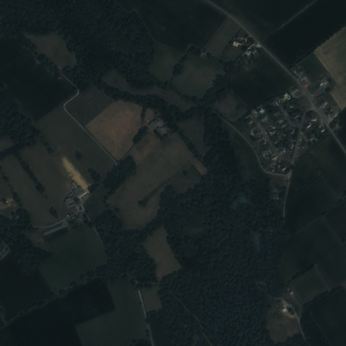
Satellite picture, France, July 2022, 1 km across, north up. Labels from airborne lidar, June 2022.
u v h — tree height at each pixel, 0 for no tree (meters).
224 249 27
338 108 0
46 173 0
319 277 0
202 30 0
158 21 0
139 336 0
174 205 32
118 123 0
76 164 0
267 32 0
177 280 19
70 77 16
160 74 0
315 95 0
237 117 0
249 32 0
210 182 28
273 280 28
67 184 0
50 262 0
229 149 27
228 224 25
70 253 0
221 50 0
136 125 0
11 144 0
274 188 0
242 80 0
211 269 30
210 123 21
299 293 0
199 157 20
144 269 27
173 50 0
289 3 0
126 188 0
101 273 26
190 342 30
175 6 0
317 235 0
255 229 19
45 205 0
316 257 0
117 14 21
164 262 0
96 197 0
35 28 30
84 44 26
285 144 8
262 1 0
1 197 0
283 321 0
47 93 0
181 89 0
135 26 27
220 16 0
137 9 0
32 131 16
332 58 0
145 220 0
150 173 0
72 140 0
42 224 0
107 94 21
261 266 28
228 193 7
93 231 0
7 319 16
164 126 7
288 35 0
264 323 22
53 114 0
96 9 22
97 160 0
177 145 0
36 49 11
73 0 17
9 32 24
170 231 19
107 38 25
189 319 35
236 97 0
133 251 13
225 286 22
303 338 12
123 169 24
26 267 24
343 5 0
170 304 27
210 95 21
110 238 28
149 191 0
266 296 30
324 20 0
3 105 0
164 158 0
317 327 14
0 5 26
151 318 18
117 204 0
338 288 9
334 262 0
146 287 17
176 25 0
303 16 0
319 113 0
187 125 0
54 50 0
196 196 8
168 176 0
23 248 25
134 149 0
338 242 0
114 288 0
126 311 0
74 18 24
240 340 19
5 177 19
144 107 8
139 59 26
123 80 0
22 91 0
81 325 0
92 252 0
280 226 21
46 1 22
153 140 0
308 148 0
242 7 0
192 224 0
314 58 0
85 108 0
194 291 24
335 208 0
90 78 22
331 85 0
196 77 0
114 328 0
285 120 6
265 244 26
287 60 0
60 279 0
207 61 0
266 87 0
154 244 0
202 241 23
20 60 0
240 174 18
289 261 0
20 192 0
